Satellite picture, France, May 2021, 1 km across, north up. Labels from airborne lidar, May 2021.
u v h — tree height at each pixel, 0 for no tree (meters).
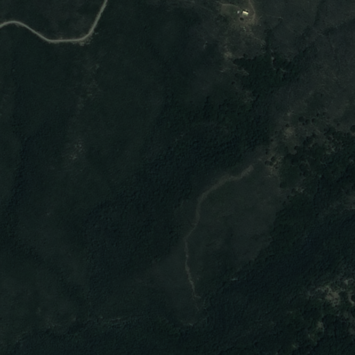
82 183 6
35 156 6
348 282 8
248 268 12
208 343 14
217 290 9
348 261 8
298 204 13
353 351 15
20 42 6
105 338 11
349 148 13
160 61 9
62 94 7
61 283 8
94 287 10
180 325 13
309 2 0
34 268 6
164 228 6
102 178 6
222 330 12
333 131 6
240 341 12
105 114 6
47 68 6
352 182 14
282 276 12
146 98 8
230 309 8
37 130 11
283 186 16
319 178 21
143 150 11
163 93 9
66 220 5
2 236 12
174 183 8
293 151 0
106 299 8
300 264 13
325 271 10
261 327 7
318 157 12
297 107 0
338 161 16
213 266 6
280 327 18
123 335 10
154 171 8
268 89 13
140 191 8
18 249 9
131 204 8
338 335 18
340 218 11
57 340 15
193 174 9
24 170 10
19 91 7
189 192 6
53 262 6
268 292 13
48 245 6
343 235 12
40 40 6
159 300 10
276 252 20
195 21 6
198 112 6
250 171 0
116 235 9
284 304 8
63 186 5
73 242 7
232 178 0
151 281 8
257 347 18
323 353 16
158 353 7
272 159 10
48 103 6
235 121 18
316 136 18
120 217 7
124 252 7
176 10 6
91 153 9
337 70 0
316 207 14
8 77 8
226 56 0
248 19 0
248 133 12
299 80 6
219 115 13
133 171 10
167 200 9
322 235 11
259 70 17
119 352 10
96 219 8
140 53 6
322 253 7
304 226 11
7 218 20
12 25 6
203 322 6
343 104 0
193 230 0
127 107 6
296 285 9
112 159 6
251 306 7
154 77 6
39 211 6
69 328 11
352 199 0
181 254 0
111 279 8
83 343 11
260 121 11
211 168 6
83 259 7
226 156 15
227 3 0
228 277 9
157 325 13
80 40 0
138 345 15
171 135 7
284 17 0
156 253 5
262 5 0
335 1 0
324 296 10
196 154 9
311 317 18
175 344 14
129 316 9
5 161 6
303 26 0
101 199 8
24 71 7
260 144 8
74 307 7
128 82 7
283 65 13
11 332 7
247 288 12
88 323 8
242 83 7
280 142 8
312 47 8
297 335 14
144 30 11
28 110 5
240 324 10
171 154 20
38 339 9
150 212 7
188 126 8
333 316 12
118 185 8
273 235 13
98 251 7
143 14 6
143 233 11
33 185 7
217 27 0
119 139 6
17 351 14
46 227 6
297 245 16
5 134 6
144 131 8
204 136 7
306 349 19
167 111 10
